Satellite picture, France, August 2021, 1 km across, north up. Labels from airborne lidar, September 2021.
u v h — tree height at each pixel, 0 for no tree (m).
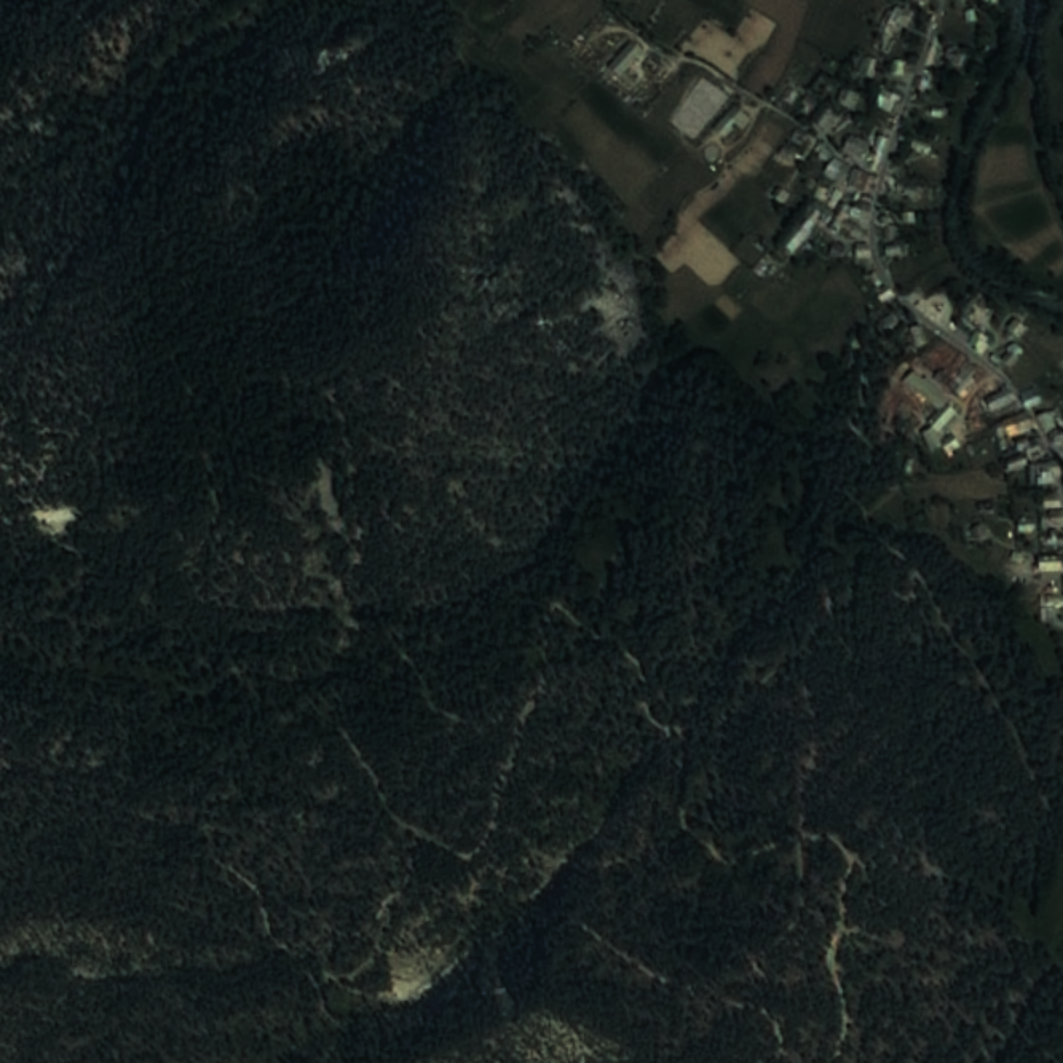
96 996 8
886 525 5
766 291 0
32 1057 13
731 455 27
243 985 12
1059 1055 15
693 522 15
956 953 12
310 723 19
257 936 15
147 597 9
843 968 12
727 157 0
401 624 15
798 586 16
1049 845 18
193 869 21
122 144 6
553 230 14
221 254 16
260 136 18
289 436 22
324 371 19
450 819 6
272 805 17
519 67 0
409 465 13
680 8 0
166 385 16
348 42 12
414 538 13
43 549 6
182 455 15
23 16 19
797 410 8
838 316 0
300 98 13
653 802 10
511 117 19
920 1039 15
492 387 9
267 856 7
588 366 9
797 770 11
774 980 17
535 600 15
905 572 13
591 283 6
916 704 10
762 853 10
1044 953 11
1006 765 19
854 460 16
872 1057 14
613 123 0
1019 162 0
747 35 0
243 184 19
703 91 0
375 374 19
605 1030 9
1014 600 10
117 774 19
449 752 13
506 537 11
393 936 11
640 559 23
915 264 0
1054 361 0
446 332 11
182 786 17
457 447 15
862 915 11
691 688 15
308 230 9
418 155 13
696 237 0
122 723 13
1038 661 19
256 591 13
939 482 0
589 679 16
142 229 15
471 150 11
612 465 13
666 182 0
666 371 10
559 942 13
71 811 17
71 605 15
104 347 13
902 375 0
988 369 0
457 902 10
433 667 17
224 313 8
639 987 7
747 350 0
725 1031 14
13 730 17
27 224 15
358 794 9
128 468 15
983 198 0
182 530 9
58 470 7
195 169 16
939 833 17
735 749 13
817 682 10
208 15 17
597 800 12
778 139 0
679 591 13
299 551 13
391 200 12
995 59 17
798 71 0
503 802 16
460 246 7
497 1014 14
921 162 0
